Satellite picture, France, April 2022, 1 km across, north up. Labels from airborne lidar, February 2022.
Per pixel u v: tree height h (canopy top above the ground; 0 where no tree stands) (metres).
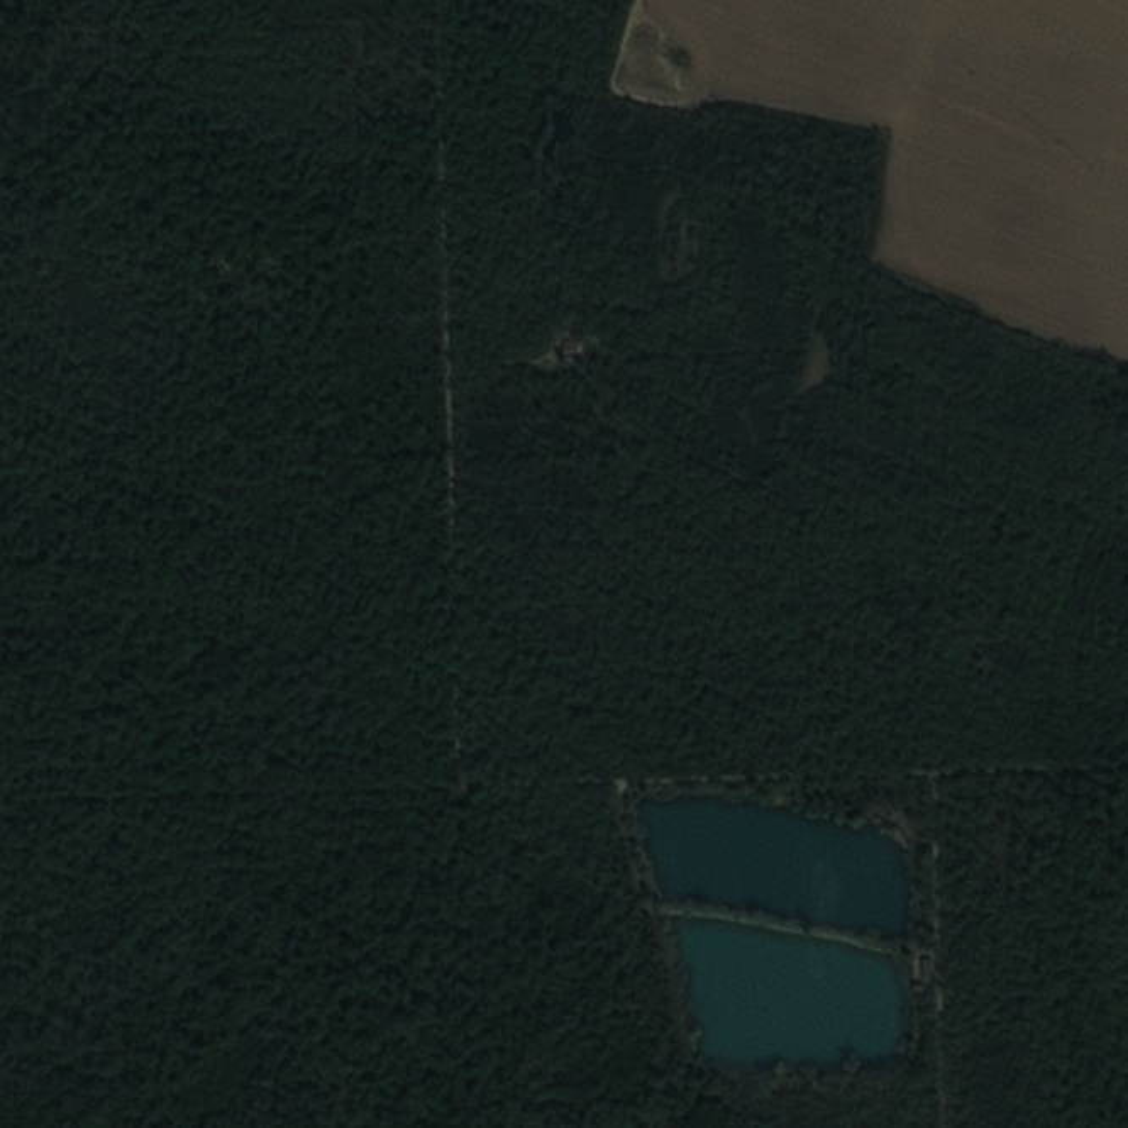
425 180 15
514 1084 10
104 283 13
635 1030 9
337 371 17
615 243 11
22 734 17
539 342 10
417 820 14
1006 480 11
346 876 12
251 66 11
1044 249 0
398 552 18
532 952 20
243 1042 10
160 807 14
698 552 10
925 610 12
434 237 14
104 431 11
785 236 11
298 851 20
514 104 14
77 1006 22
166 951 14
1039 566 13
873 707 12
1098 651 10
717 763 8
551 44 10
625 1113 19
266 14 14
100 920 8
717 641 9
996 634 12
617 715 16
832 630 11
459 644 18
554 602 10
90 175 20
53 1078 17
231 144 17
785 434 10
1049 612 12
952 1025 10
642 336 11
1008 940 12
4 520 16
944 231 0
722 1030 0
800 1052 0
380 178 16
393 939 23
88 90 15
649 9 0
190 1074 15
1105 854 18
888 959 0
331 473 8
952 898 10
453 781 13
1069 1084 13
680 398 8
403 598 17
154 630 20
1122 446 13
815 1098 8
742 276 7
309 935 19
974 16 0
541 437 13
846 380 8
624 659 13
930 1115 10
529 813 13
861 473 12
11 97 16
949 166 0
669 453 13
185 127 17
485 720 10
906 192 0
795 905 0
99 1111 17
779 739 13
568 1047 10
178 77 12
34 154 13
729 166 10
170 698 21
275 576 16
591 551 12
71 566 20
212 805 16
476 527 9
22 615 16
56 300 8
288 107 6
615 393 13
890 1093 7
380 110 18
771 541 9
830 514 13
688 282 7
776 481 9
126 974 13
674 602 11
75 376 12
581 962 18
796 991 0
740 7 0
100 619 19
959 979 10
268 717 12
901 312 10
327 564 12
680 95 0
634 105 11
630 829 8
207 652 11
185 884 16
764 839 0
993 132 0
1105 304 0
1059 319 0
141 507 18
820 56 0
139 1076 10
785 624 11
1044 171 0
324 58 10
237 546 17
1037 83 0
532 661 14
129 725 17
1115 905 14
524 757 12
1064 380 10
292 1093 16
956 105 0
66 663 17
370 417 7
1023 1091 10
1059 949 10
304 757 18
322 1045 19
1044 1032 12
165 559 19
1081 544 12
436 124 10
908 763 10
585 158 8
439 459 15
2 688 16
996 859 11
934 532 11
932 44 0
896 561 12
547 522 13
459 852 15
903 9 0
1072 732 12
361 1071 12
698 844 0
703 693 6
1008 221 0
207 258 20
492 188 13
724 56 0
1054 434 13
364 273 6
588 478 13
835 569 11
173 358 15
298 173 19
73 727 18
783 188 14
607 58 14
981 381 7
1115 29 0
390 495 19
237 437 18
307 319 17
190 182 18
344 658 13
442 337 11
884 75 0
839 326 12
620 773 8
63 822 18
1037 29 0
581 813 8
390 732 17
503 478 9
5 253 15
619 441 15
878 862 0
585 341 12
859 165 9
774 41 0
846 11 0
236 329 15
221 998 15
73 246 12
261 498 9
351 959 6
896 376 14
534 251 13
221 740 13
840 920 0
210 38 10
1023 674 9
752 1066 0
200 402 16
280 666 21
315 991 19
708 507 11
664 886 0
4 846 12
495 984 19
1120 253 0
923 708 13
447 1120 17
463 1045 14
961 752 10
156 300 10
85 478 17
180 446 18
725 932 0
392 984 13
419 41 10
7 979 17
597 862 11
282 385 19
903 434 20
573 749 10
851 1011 0
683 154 8
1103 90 0
